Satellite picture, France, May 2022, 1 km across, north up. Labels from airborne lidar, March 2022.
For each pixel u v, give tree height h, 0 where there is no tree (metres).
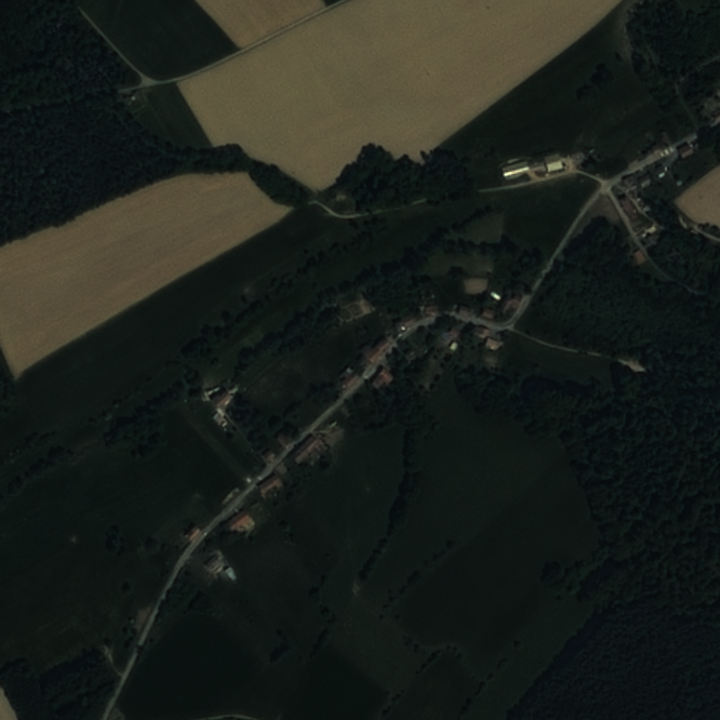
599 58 0
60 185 20
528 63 0
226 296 0
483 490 0
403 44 0
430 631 0
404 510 21
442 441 0
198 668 0
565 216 0
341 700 0
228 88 0
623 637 25
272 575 0
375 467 0
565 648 0
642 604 26
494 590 0
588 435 18
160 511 0
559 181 0
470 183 19
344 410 0
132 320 0
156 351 0
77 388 0
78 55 21
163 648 0
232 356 0
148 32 0
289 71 0
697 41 9
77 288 0
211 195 0
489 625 0
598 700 22
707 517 28
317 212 0
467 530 0
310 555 0
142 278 0
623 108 0
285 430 13
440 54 0
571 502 0
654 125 0
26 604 0
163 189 0
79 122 20
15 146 27
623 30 0
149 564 0
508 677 0
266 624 0
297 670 0
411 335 0
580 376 0
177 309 0
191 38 0
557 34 0
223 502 0
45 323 0
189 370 9
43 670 0
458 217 0
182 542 0
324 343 0
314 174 0
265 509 0
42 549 0
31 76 24
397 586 0
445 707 0
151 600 0
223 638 0
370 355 0
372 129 0
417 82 0
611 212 0
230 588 0
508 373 0
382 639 0
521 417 23
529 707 24
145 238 0
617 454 29
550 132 0
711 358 31
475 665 0
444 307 0
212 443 0
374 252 0
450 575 0
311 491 0
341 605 0
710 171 0
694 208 0
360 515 0
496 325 0
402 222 0
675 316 19
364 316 0
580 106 0
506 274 0
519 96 0
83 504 0
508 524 0
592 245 25
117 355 0
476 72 0
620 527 32
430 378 0
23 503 0
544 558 0
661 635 24
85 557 0
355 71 0
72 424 0
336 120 0
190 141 0
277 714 0
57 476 0
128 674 0
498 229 0
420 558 0
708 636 26
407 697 0
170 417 0
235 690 0
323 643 9
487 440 0
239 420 21
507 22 0
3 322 0
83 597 0
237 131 0
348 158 0
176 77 0
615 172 0
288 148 0
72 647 0
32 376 0
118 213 0
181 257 0
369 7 0
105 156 20
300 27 0
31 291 0
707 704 23
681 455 20
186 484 0
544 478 0
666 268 19
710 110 0
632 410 22
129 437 22
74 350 0
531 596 0
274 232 0
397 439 0
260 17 0
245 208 0
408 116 0
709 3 0
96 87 20
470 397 20
